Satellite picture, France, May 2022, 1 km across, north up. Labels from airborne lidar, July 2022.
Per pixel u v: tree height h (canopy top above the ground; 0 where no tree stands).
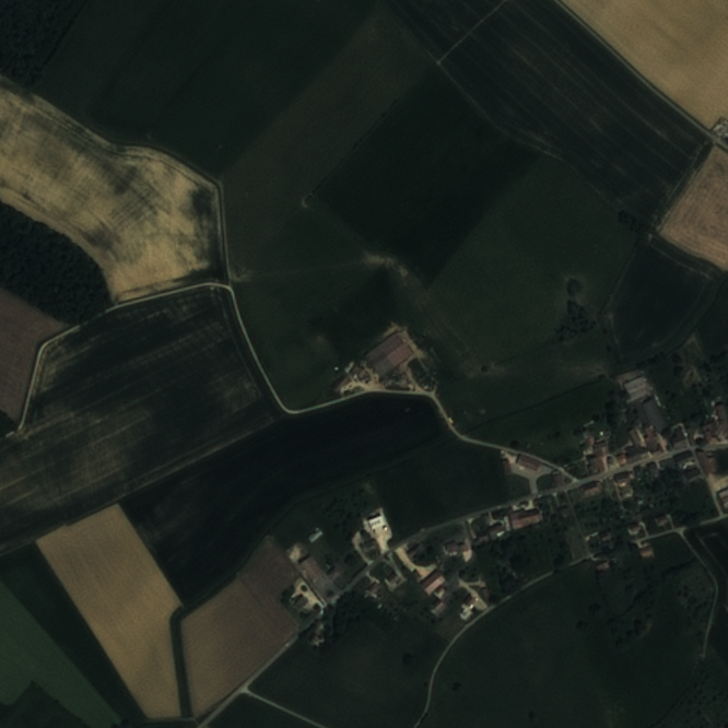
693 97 0
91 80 0
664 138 0
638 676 0
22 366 0
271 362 0
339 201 0
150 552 0
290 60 0
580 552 0
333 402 0
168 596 0
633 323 0
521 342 0
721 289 0
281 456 0
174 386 0
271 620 0
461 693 9
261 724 0
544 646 0
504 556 9
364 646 0
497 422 0
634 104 0
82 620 0
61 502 0
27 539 0
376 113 0
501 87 0
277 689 0
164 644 0
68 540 0
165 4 0
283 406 0
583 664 0
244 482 0
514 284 0
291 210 0
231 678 0
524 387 0
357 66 0
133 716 0
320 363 0
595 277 0
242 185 0
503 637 0
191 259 0
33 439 0
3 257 27
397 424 0
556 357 0
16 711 0
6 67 12
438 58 0
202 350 0
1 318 0
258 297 0
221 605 0
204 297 0
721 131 0
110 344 0
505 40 0
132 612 0
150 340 0
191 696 0
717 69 0
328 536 0
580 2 0
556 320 0
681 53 0
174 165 0
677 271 0
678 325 0
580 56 0
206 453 0
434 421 0
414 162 0
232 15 0
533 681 0
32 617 0
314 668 0
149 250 0
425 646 0
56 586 0
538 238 0
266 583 0
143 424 0
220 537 0
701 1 0
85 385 0
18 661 0
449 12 0
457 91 0
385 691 0
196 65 0
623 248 0
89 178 0
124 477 0
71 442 0
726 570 0
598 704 0
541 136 0
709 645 0
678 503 14
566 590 0
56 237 21
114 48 0
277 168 0
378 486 0
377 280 0
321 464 0
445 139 0
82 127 0
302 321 0
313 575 0
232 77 0
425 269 0
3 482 0
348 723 0
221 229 0
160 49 0
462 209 0
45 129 0
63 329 0
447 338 0
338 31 0
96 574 0
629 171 0
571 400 0
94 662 0
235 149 0
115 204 0
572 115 0
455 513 0
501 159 0
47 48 13
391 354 0
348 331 0
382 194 0
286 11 0
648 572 7
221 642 0
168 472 0
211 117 0
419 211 0
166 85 0
